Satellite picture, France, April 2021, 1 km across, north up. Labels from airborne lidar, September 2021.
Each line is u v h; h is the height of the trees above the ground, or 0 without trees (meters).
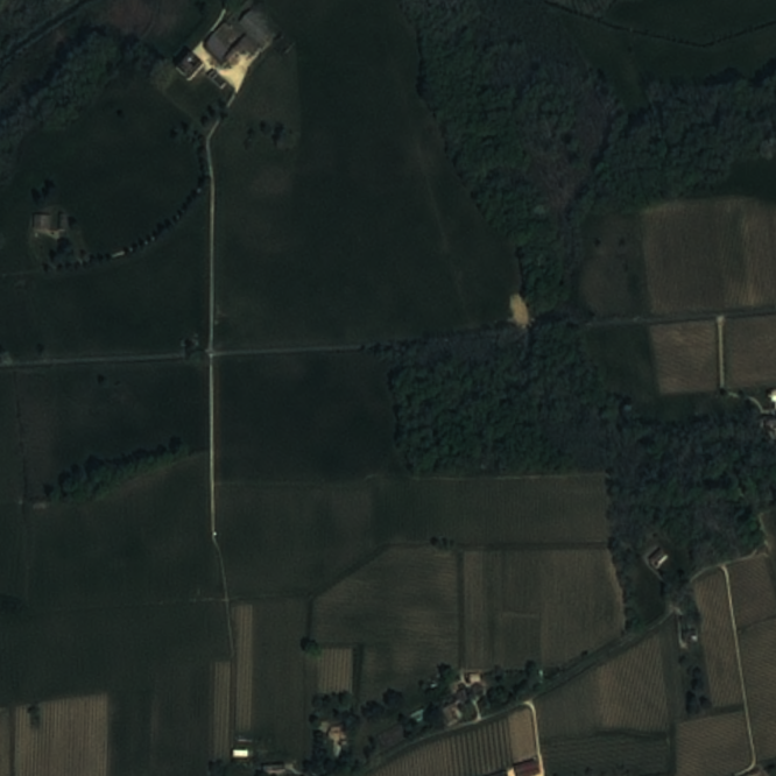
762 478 28
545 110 21
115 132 0
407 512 0
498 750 0
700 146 27
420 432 14
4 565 0
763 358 0
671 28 0
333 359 0
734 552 20
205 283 0
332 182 0
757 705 0
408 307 0
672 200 22
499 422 29
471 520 0
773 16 0
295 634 0
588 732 0
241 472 0
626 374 0
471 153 18
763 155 14
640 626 14
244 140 0
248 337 0
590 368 27
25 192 0
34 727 0
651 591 0
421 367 21
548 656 0
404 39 0
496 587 0
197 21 0
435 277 0
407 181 0
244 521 0
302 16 0
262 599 0
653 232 0
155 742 0
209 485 0
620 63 0
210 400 0
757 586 0
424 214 0
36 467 0
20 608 9
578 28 0
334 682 0
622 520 18
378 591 0
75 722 0
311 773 13
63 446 0
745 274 0
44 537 0
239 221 0
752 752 0
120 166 0
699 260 0
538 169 12
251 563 0
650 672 0
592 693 0
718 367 0
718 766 0
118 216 0
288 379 0
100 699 0
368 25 0
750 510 9
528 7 18
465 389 25
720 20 0
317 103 0
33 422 0
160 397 0
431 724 15
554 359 29
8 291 0
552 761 0
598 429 22
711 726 0
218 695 0
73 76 26
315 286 0
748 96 29
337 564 0
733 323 0
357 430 0
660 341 0
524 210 23
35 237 0
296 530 0
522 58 17
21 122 21
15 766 0
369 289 0
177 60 0
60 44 0
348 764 14
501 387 30
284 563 0
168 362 0
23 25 16
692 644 16
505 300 0
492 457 26
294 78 0
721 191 0
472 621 0
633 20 0
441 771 0
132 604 0
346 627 0
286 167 0
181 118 0
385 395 0
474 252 0
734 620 0
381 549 0
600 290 0
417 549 0
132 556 0
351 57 0
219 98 0
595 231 0
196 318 0
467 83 21
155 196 0
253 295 0
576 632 0
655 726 0
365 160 0
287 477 0
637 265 0
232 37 0
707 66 0
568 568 0
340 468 0
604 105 20
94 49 26
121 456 0
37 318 0
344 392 0
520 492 0
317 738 11
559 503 0
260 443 0
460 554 0
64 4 25
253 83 0
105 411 0
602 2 31
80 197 0
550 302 25
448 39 18
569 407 21
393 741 0
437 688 15
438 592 0
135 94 0
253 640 0
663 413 0
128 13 0
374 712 18
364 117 0
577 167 22
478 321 0
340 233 0
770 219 0
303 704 0
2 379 0
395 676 0
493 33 20
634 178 26
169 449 0
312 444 0
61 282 0
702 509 25
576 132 10
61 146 0
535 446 29
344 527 0
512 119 19
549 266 23
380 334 0
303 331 0
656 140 21
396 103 0
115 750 0
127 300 0
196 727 0
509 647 0
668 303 0
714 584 0
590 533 0
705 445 28
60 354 0
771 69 0
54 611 0
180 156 0
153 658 0
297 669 0
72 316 0
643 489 21
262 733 0
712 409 0
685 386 0
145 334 0
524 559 0
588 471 18
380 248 0
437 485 0
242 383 0
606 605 0
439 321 0
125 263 0
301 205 0
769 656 0
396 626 0
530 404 25
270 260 0
